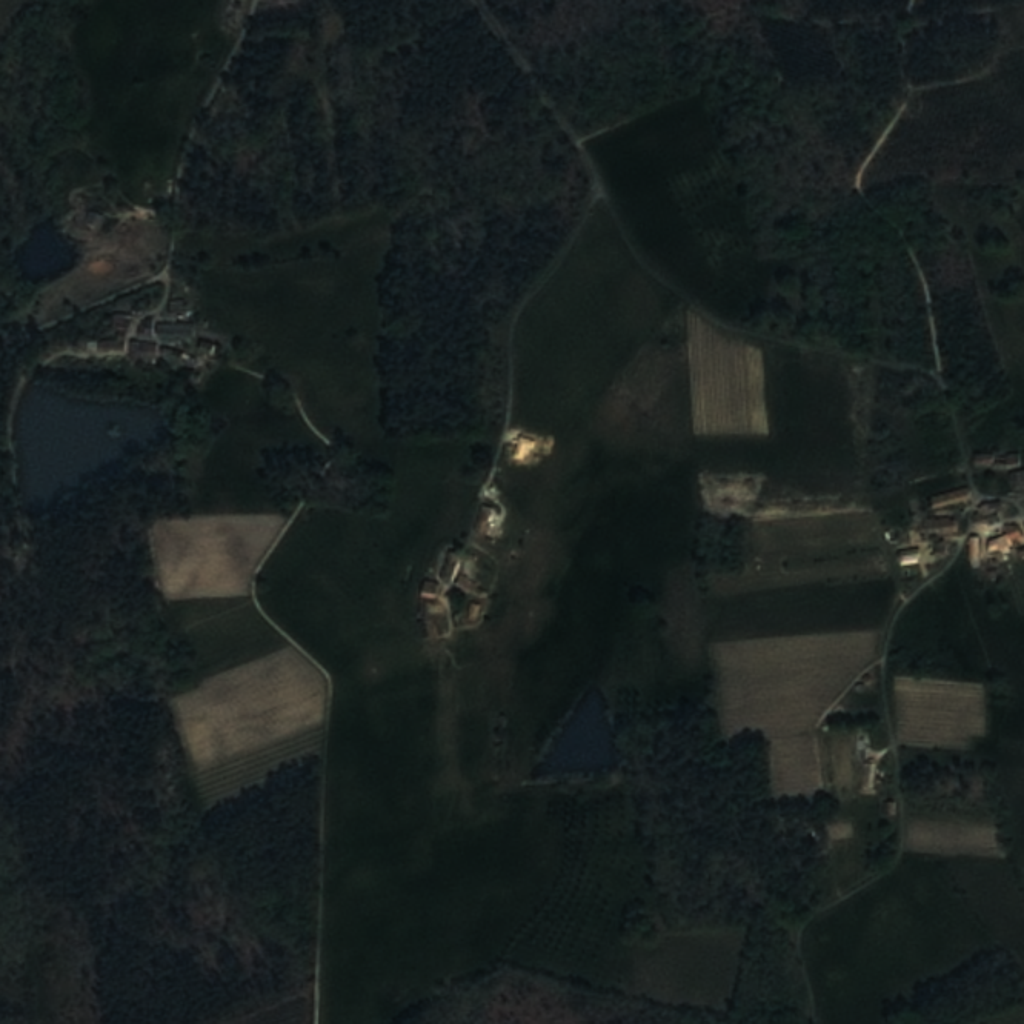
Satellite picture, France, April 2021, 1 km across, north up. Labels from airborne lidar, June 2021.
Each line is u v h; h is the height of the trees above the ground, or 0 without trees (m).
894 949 0
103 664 14
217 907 14
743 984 13
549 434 0
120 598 22
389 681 0
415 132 20
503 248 19
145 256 0
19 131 14
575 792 11
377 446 0
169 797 13
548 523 0
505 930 0
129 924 21
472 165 13
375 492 13
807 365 0
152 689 9
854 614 0
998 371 13
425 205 10
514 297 14
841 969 0
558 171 16
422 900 0
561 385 0
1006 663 0
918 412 12
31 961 17
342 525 0
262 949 11
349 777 0
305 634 0
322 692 0
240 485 0
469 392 13
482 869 0
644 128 0
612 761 0
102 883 20
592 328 0
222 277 0
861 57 13
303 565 0
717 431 0
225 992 18
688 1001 0
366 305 0
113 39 0
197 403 9
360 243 0
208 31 0
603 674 0
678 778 11
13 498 8
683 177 7
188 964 20
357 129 13
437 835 0
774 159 13
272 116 16
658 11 7
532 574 0
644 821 14
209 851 21
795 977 15
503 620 0
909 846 0
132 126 0
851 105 16
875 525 0
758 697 0
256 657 0
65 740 15
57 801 20
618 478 0
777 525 0
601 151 0
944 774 16
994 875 0
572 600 0
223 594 0
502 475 0
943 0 10
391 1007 0
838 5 6
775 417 0
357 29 18
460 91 16
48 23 15
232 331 0
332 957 0
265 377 0
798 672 0
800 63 9
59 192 19
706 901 24
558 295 0
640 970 0
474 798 0
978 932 0
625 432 0
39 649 18
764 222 18
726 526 15
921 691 0
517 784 0
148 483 24
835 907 0
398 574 0
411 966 0
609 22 11
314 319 0
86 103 13
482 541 0
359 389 0
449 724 0
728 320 0
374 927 0
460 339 17
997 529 0
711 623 0
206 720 0
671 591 0
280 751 0
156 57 0
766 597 0
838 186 7
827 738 0
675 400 0
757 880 9
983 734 0
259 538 0
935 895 0
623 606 0
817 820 19
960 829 0
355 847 0
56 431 0
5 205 15
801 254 7
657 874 17
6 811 20
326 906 0
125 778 21
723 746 6
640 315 0
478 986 19
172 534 0
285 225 16
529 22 16
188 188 12
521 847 0
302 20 18
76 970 14
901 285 8
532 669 0
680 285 0
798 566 0
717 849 20
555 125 17
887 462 9
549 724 0
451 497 0
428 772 0
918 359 12
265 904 19
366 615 0
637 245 0
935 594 0
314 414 0
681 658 0
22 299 21
